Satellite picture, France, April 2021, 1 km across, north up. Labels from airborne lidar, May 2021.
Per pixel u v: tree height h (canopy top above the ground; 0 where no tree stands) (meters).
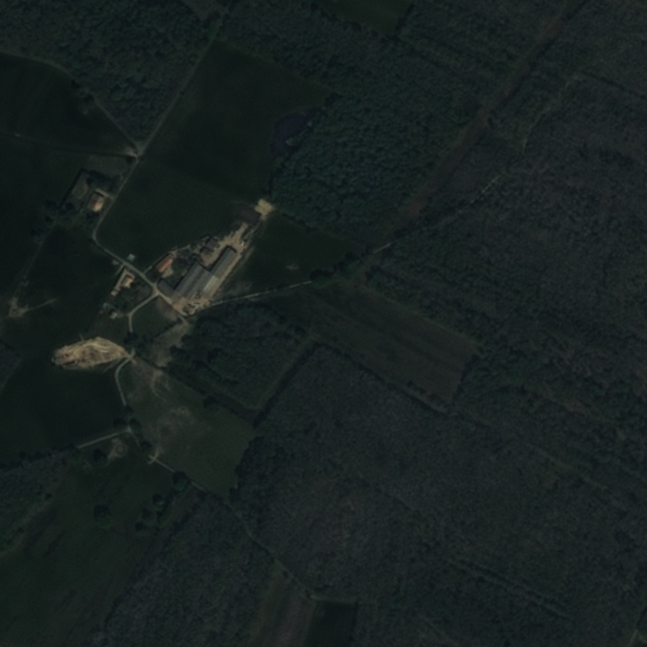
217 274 0
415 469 20
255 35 16
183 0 8
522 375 22
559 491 11
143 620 19
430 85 20
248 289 0
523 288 21
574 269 10
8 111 0
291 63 21
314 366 16
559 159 11
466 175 10
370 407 19
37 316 0
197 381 0
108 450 0
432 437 20
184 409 0
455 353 0
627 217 14
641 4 10
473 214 11
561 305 23
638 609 19
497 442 17
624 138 10
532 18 14
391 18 0
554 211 12
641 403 21
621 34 10
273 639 0
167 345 0
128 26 27
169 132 0
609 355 16
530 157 15
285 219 0
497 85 14
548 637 11
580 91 7
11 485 19
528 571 14
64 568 0
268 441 16
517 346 9
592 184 10
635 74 12
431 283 14
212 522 20
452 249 21
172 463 0
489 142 6
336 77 20
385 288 18
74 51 21
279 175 10
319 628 0
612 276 22
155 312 0
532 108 20
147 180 0
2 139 0
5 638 0
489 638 11
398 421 18
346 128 13
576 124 14
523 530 16
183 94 9
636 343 13
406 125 19
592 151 18
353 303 0
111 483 0
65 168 0
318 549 11
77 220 15
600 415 17
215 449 0
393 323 0
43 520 0
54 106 0
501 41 20
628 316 14
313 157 17
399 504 21
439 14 12
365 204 21
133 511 0
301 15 13
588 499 15
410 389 8
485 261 19
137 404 0
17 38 20
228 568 23
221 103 0
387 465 18
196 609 18
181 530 19
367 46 18
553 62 21
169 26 20
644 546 21
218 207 0
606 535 13
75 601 0
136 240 0
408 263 20
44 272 0
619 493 17
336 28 16
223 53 0
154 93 10
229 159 0
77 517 0
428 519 18
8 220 0
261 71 0
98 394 0
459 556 16
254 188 0
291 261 0
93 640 9
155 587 18
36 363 0
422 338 0
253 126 0
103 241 0
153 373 0
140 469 0
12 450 0
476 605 17
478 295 15
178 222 0
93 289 0
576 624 18
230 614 14
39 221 0
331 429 15
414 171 22
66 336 0
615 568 22
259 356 19
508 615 13
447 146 18
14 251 0
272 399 0
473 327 25
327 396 18
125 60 18
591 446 15
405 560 13
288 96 0
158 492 0
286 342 10
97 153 0
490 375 22
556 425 14
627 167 18
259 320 17
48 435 0
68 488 0
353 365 17
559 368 22
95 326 0
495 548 8
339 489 9
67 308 0
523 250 15
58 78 0
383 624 18
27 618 0
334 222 16
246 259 0
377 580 23
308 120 0
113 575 0
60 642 0
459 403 16
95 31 21
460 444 22
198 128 0
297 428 13
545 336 16
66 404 0
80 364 0
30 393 0
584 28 14
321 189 19
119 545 0
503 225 7
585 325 27
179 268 11
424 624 20
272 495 24
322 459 19
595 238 17
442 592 8
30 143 0
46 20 18
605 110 7
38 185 0
